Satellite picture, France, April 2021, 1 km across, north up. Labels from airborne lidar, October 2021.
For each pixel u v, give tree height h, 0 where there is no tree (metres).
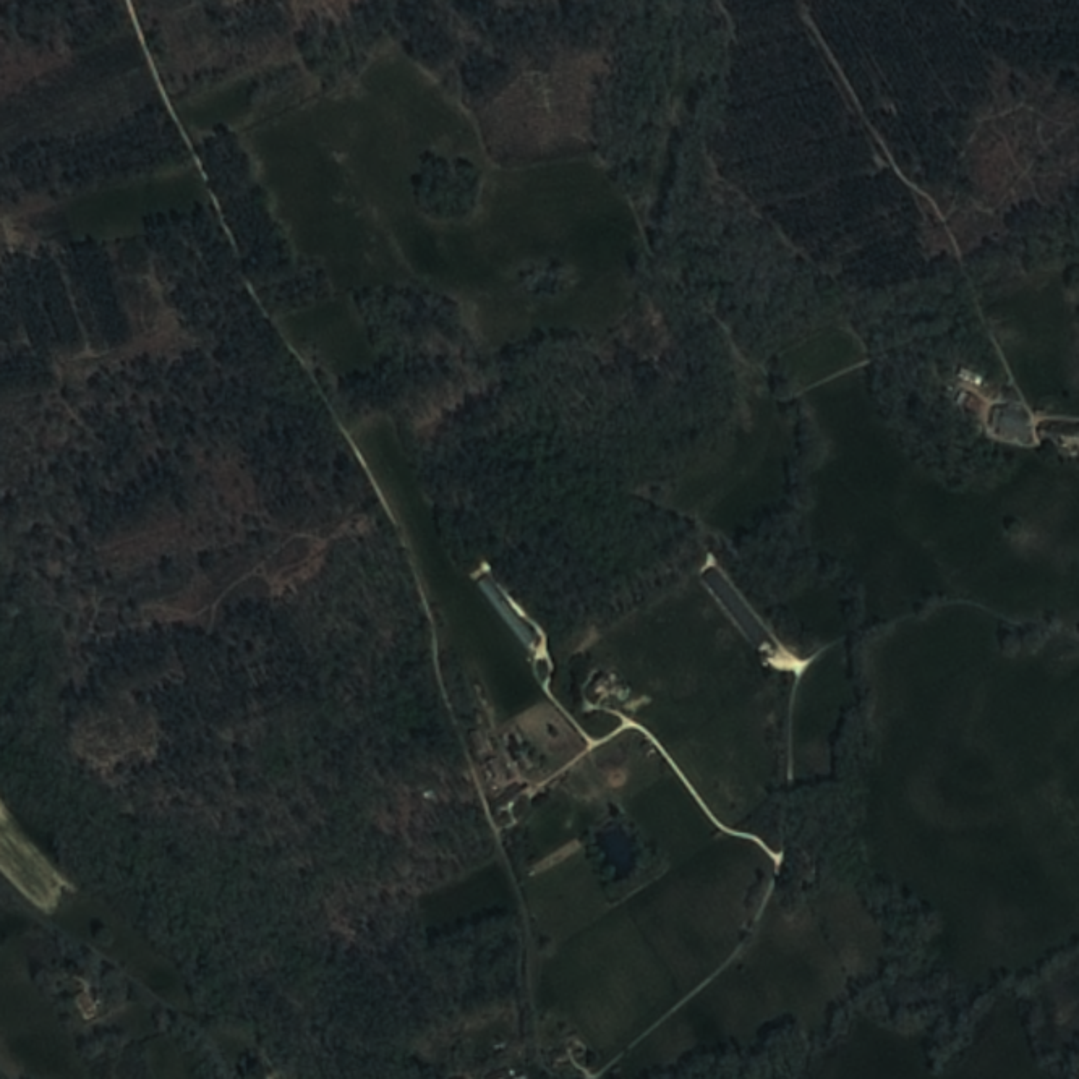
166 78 0
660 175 0
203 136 0
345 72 13
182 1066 0
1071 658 0
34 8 25
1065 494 0
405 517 0
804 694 0
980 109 14
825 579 20
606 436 20
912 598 0
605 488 23
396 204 0
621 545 24
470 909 0
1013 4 17
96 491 20
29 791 22
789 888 20
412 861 15
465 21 23
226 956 23
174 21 0
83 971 20
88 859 25
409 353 19
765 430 0
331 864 24
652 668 0
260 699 16
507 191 0
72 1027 17
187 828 17
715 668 0
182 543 0
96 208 0
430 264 0
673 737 0
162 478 24
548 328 0
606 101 26
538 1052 11
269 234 17
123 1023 0
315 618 13
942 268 13
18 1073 0
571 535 25
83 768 13
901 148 15
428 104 0
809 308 21
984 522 0
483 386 18
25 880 0
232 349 23
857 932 0
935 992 10
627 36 25
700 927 0
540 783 0
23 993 0
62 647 14
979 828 0
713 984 0
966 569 0
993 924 0
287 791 18
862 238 10
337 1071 26
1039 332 0
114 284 15
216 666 16
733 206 17
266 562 7
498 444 11
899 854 0
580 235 0
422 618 18
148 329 0
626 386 18
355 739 15
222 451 18
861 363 0
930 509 0
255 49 25
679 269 27
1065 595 0
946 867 0
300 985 28
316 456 23
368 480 7
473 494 25
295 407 16
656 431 20
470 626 0
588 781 0
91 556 25
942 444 29
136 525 25
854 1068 0
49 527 17
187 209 0
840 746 17
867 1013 13
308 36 10
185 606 0
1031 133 6
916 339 21
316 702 22
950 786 0
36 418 8
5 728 21
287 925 29
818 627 0
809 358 0
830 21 13
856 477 0
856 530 0
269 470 29
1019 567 0
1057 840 0
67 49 9
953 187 18
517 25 17
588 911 0
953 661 0
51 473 8
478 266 0
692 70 23
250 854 20
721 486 0
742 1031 0
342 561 18
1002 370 13
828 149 17
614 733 0
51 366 16
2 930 0
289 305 10
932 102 12
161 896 22
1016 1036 0
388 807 17
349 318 0
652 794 0
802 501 26
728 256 23
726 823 0
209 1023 11
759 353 23
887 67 16
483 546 22
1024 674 0
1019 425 0
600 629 8
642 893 19
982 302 11
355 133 0
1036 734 0
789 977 0
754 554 23
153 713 23
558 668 8
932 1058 21
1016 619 0
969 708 0
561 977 0
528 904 0
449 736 17
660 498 17
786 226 14
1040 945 0
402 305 17
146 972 0
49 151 15
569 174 0
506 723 0
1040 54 19
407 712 21
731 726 0
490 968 21
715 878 0
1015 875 0
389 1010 29
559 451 21
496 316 0
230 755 14
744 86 17
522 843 10
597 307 0
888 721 0
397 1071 24
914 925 14
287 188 0
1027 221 21
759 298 27
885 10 19
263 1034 26
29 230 0
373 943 22
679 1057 0
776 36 18
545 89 0
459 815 14
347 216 0
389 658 15
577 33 22
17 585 14
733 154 15
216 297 24
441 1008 29
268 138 0
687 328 21
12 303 16
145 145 14
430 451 15
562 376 20
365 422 16
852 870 23
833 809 22
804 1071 20
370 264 0
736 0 15
